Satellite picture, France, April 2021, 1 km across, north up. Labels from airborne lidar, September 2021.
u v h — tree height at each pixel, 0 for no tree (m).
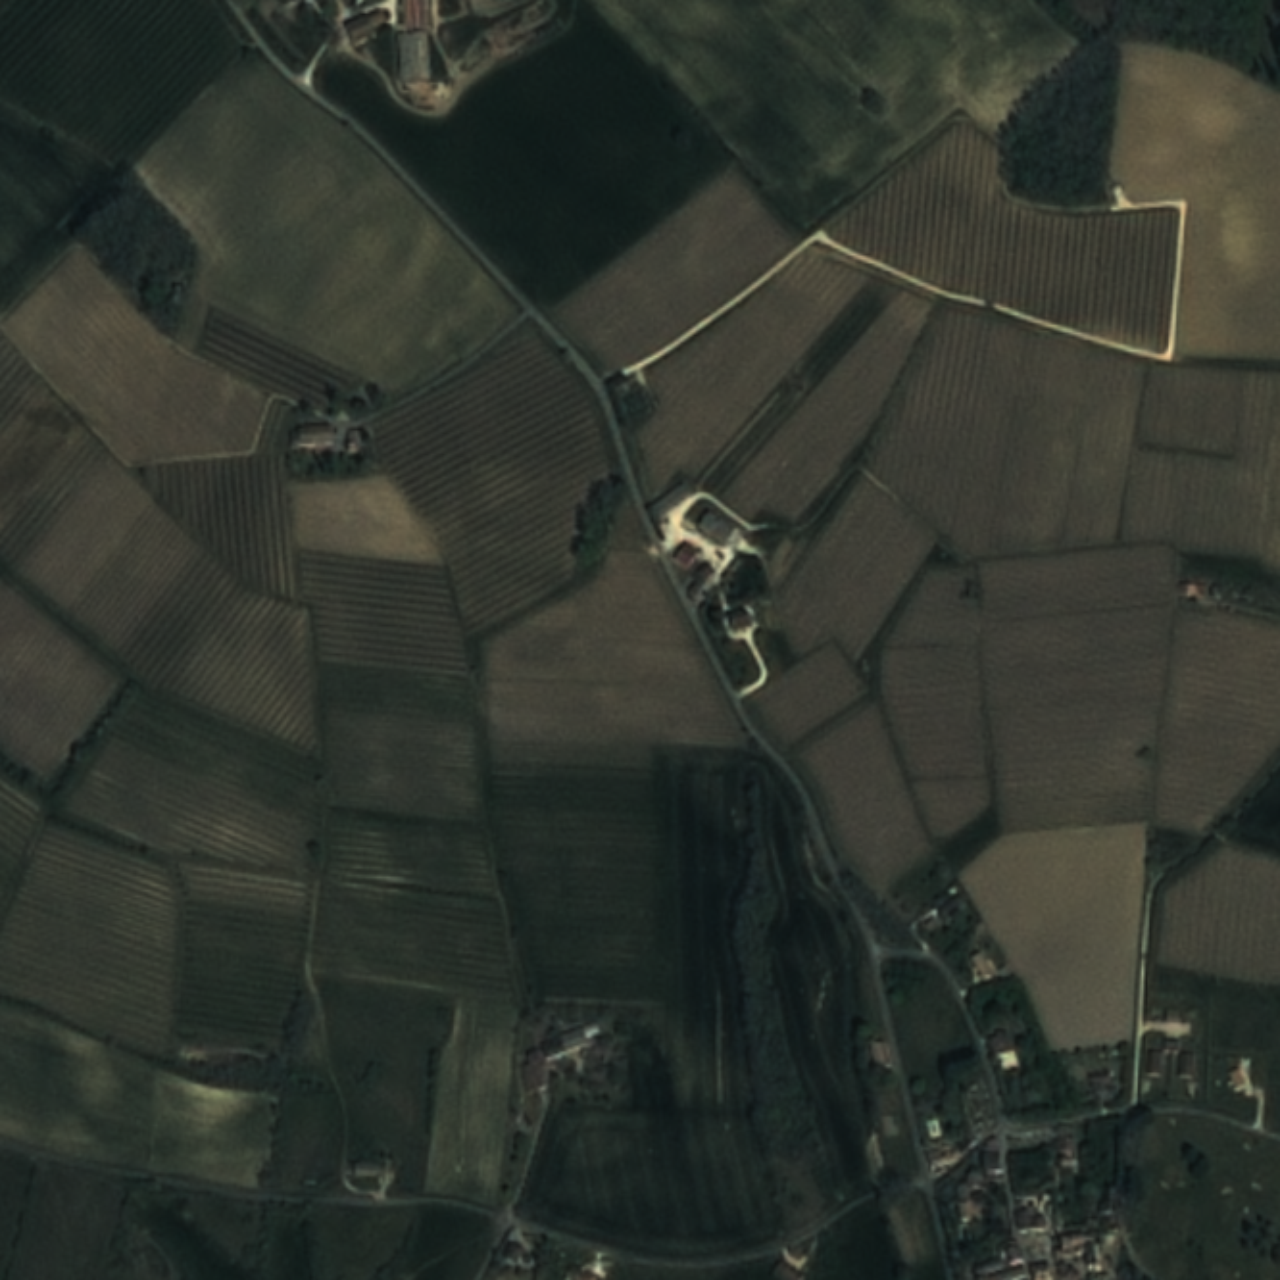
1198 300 0
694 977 0
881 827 0
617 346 0
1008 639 0
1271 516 0
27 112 0
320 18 14
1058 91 15
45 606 0
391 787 0
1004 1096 7
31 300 0
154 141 0
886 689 0
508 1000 0
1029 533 0
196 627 0
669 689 0
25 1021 0
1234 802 0
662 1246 0
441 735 0
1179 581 0
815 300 0
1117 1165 7
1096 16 0
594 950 0
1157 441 0
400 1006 0
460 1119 0
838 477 0
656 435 0
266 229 0
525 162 0
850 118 0
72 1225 0
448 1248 0
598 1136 0
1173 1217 0
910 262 0
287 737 0
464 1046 0
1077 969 0
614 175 0
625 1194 0
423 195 0
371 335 0
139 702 0
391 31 7
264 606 0
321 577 0
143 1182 9
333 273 0
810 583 0
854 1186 0
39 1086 0
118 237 21
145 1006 0
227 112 0
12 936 0
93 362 0
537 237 0
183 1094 0
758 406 0
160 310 15
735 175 0
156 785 0
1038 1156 9
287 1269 0
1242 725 0
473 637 0
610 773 0
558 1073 6
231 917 0
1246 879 0
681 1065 0
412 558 0
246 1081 15
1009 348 0
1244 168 0
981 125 0
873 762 0
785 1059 18
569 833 0
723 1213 0
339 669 0
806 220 0
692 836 0
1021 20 0
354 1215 0
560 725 0
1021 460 0
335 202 0
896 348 0
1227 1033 0
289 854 0
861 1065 11
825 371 0
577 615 0
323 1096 6
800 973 0
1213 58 16
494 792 0
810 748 0
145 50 0
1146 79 0
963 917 10
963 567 0
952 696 0
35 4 0
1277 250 0
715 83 0
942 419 0
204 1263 0
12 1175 0
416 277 0
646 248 0
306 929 0
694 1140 0
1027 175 17
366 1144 0
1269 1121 0
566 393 0
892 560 0
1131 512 0
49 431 0
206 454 0
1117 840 0
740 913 16
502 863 0
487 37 0
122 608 0
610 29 0
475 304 0
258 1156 0
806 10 0
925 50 0
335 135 0
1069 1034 0
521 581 0
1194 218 0
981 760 0
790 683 0
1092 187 17
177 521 0
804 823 14
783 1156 12
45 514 0
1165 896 0
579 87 0
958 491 0
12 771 8
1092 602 0
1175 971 0
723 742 0
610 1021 11
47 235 0
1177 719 0
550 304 0
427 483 0
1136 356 0
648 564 0
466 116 0
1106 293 0
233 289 0
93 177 0
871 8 0
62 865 0
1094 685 0
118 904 0
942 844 0
